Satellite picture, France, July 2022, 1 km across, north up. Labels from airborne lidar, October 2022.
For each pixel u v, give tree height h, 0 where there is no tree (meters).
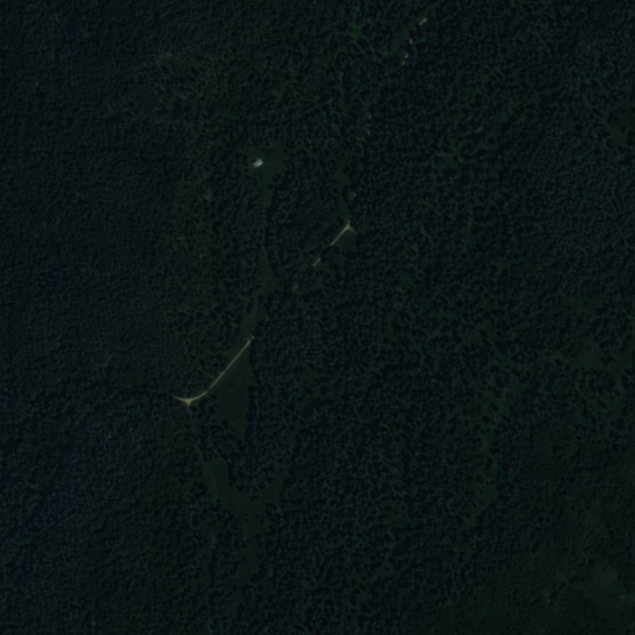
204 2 20
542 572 19
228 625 30
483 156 27
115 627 19
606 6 14
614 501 29
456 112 18
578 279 26
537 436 9
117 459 20
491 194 24
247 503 0
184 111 19
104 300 25
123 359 28
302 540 15
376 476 32
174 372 24
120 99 25
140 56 19
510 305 8
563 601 21
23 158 28
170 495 17
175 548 13
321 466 23
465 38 28
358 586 16
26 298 29
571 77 22
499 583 13
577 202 29
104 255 25
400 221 20
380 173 30
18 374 23
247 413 0
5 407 37
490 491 0
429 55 22
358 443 15
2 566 32
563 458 12
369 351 25
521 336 13
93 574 18
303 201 26
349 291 19
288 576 21
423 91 10
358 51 32
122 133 30
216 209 15
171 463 10
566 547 17
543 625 27
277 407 30
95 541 19
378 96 8
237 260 22
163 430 17
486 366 30
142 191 19
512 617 16
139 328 21
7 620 21
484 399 23
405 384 20
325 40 30
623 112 15
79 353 23
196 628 21
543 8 30
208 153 13
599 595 0
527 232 15
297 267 12
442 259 19
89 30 26
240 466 23
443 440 15
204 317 24
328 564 10
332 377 25
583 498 16
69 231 24
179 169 18
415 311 13
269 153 7
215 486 0
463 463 14
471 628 15
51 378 27
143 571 17
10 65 23
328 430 22
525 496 8
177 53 22
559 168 25
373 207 15
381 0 25
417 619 16
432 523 15
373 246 17
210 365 23
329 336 27
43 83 28
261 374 26
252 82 22
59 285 36
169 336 19
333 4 20
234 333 13
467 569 19
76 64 21
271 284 0
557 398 21
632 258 18
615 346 25
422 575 12
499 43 27
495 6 18
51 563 29
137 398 19
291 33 12
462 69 29
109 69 15
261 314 0
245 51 10
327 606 23
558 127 23
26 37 25
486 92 18
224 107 15
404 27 6
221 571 17
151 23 19
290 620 15
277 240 14
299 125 15
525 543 15
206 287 17
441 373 9
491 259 11
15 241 35
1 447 6
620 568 19
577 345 12
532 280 8
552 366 13
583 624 24
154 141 22
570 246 29
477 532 14
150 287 17
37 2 29
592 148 28
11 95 28
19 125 35
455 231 9
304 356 23
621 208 27
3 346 25
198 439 31
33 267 34
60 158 29
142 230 20
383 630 20
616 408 0
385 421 20
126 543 7
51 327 13
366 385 18
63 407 32
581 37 18
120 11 28
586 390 10
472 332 22
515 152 20
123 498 24
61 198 24
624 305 10
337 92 18
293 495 11
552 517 9
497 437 6
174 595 20
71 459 16
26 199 26
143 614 15
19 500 29
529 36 27
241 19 16
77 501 18
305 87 21
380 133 27
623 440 21
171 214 16
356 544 35
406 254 17
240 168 25
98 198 26
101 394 31
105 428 24
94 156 29
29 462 29
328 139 32
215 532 6
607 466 15
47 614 15
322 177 11
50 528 22
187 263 9
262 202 23
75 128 33
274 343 18
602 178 26
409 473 15
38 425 28
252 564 0
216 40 20
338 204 15
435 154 22
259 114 25
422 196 13
